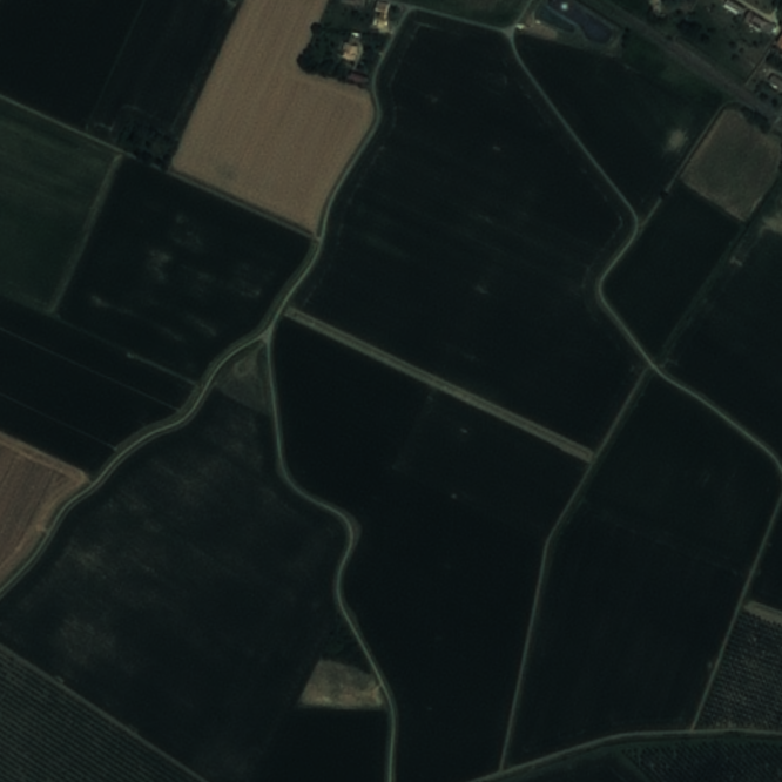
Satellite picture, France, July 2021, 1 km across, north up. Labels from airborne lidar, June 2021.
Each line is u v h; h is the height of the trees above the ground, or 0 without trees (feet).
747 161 0
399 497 0
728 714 31
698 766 27
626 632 0
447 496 0
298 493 0
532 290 0
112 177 0
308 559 0
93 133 0
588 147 0
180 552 0
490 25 0
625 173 0
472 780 0
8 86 0
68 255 0
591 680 0
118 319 0
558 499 0
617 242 0
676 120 0
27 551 0
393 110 0
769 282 0
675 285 0
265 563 0
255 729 0
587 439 0
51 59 0
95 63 0
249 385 0
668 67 0
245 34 0
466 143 0
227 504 0
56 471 0
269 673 0
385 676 0
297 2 0
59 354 0
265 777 0
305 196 0
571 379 0
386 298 0
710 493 0
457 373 0
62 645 0
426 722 0
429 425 0
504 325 0
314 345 0
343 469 0
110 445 0
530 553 0
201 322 0
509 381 0
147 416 0
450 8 0
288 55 0
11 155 0
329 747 0
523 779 0
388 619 0
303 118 0
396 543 0
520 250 0
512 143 0
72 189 0
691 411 0
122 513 0
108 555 0
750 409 0
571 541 0
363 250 0
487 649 0
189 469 0
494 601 0
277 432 0
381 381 0
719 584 0
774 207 0
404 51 0
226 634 0
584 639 0
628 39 43
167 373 0
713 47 0
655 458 0
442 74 0
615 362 0
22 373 0
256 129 0
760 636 37
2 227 0
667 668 0
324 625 0
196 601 0
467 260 0
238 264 0
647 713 0
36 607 0
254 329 0
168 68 0
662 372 0
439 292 0
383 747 0
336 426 0
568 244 0
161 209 0
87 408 0
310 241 0
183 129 0
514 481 0
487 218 0
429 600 0
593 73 0
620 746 0
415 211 0
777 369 0
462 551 0
